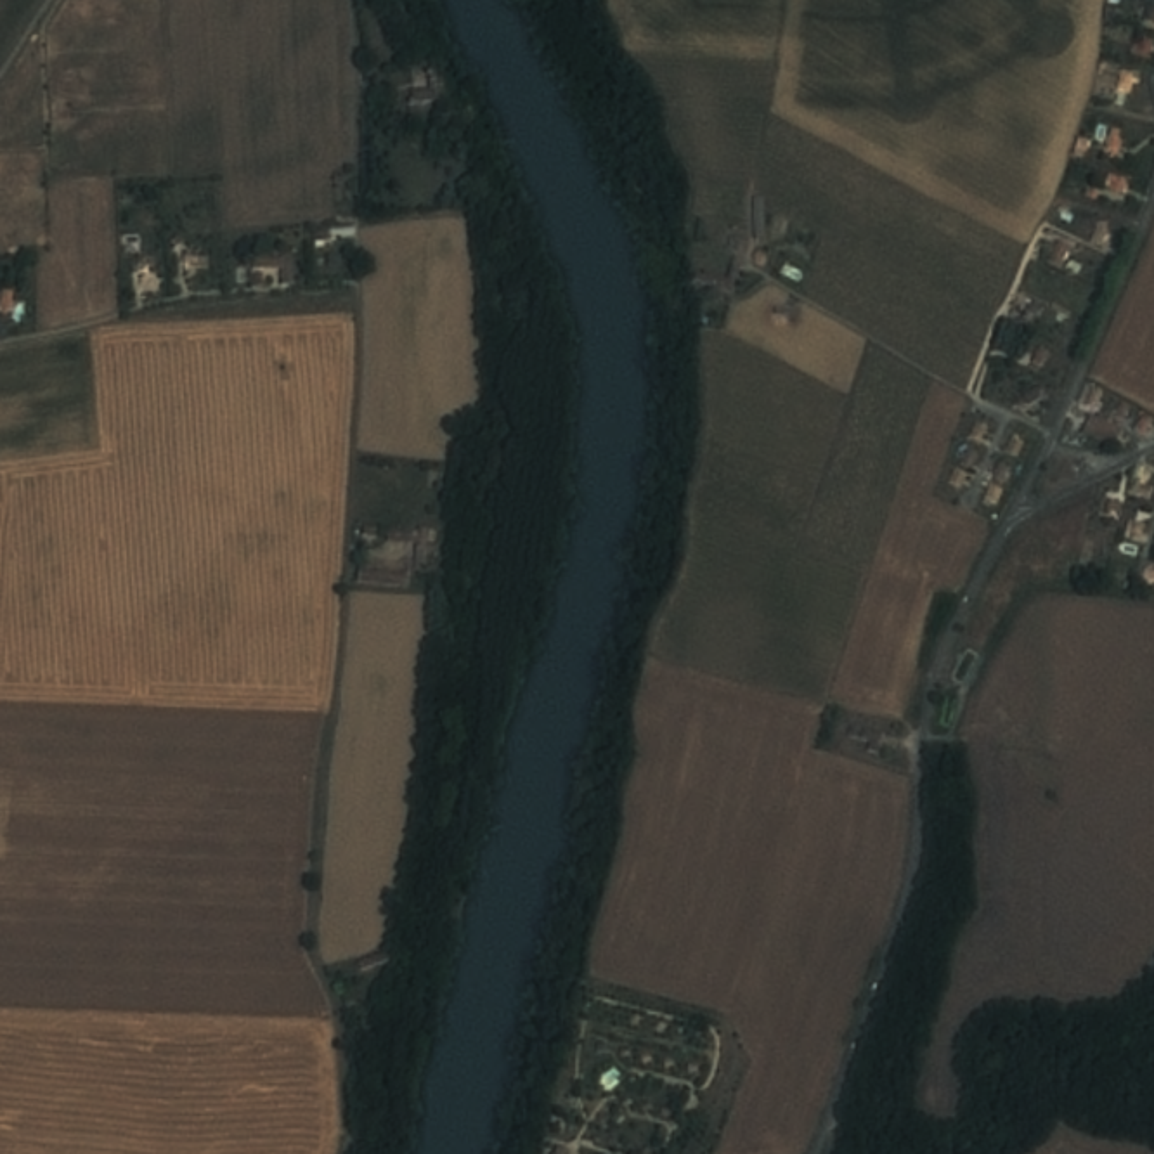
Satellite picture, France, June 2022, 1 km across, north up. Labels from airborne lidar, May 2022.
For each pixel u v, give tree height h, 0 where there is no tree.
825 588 0
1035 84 0
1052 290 0
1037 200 0
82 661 0
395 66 12
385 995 19
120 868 0
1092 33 0
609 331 0
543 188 0
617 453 0
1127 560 0
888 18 0
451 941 33
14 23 0
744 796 0
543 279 19
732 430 0
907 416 0
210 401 0
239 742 0
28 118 0
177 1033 0
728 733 0
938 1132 18
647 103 20
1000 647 0
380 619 0
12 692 0
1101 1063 27
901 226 0
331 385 0
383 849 0
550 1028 29
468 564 12
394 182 12
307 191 0
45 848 0
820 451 0
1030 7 0
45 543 0
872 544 0
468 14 0
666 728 0
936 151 0
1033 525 0
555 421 36
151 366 0
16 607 0
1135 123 0
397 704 0
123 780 0
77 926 0
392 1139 14
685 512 6
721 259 0
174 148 0
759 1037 0
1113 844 0
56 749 0
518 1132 19
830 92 0
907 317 0
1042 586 0
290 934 0
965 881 23
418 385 0
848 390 0
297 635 0
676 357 11
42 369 0
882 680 0
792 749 0
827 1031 0
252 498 0
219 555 0
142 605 0
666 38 0
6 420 0
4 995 0
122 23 0
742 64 0
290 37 0
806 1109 0
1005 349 11
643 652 9
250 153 0
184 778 0
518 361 29
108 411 0
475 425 22
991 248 0
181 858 0
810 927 0
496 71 0
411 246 0
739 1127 0
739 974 0
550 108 0
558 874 20
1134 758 0
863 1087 17
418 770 18
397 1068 23
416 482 0
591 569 0
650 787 0
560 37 14
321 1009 0
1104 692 0
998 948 0
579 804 12
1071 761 0
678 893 0
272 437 0
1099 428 0
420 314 0
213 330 0
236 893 0
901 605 0
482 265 19
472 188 18
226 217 0
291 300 0
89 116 0
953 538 0
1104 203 7
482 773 29
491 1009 0
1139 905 0
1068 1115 19
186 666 0
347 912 0
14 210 0
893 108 0
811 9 0
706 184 0
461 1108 0
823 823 0
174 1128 0
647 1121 0
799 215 0
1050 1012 23
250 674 0
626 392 0
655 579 12
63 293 0
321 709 0
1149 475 0
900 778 0
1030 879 0
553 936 31
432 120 10
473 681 16
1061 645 0
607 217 0
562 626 0
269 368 0
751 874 0
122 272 6
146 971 0
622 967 0
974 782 0
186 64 0
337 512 0
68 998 0
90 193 0
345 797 0
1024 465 0
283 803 0
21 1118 0
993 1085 22
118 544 0
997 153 0
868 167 0
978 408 0
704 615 0
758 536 0
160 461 0
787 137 0
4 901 0
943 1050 0
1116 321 0
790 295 0
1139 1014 16
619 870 0
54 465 0
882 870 0
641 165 23
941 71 0
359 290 0
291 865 0
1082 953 0
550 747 0
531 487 35
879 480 0
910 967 18
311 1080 0
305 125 0
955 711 0
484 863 0
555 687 0
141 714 0
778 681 0
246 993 0
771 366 0
